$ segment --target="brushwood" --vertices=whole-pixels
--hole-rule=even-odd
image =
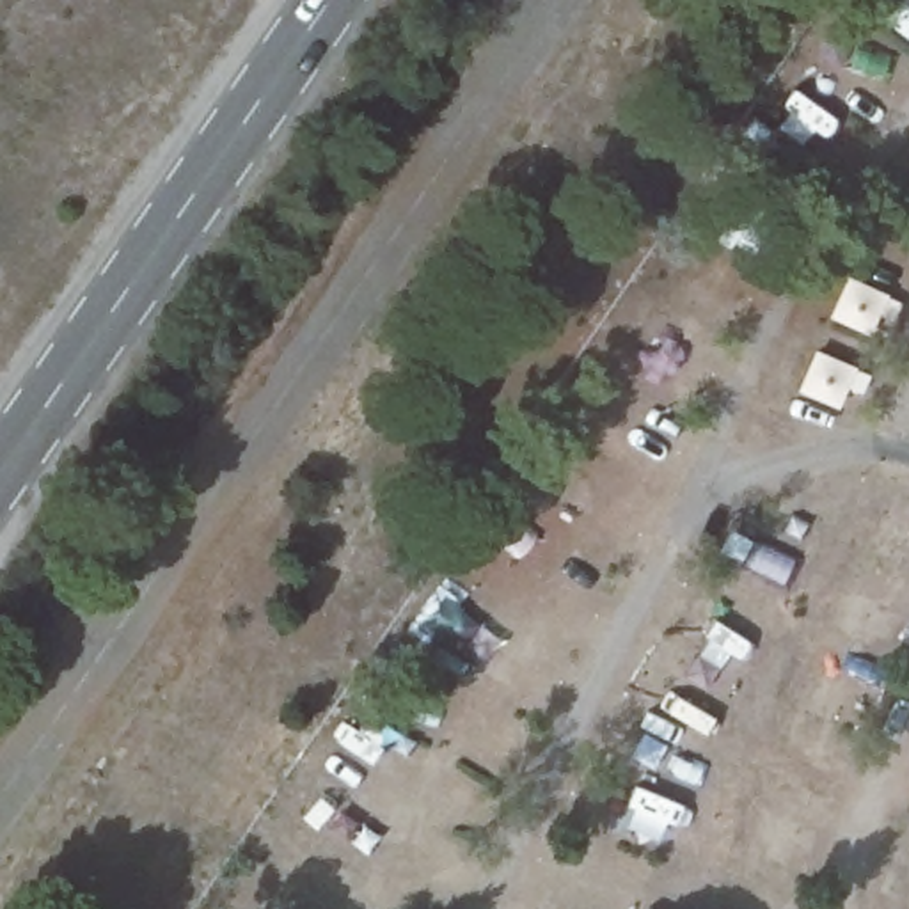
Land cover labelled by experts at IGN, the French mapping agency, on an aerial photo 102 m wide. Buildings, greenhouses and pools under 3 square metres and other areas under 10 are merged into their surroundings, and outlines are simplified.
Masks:
[[[486,795],[494,795],[504,785],[494,771],[469,756],[458,760],[458,771],[469,774]]]

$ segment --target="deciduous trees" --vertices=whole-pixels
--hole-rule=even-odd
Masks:
[[[792,25],[813,21],[817,11],[827,11],[834,18],[827,28],[827,43],[838,46],[842,57],[873,57],[884,64],[884,71],[891,71],[895,50],[888,43],[898,36],[898,7],[891,0],[643,0],[643,7],[668,32],[668,60],[657,67],[621,75],[611,128],[632,138],[639,156],[664,160],[678,170],[678,206],[671,217],[657,220],[607,170],[572,167],[561,192],[554,195],[554,217],[565,224],[575,256],[604,266],[611,259],[625,263],[639,252],[639,231],[653,227],[650,241],[657,245],[657,252],[685,249],[707,263],[717,259],[735,266],[742,281],[771,295],[831,298],[838,305],[845,281],[866,284],[870,277],[877,277],[873,263],[884,263],[888,241],[902,241],[909,249],[909,181],[884,156],[877,156],[877,149],[870,156],[817,156],[785,153],[767,138],[746,135],[749,124],[771,128],[792,117],[785,85],[771,85],[767,71],[774,71],[788,57]]]
[[[305,579],[298,557],[288,554],[284,543],[277,543],[277,586],[302,586]]]
[[[717,419],[707,412],[707,401],[692,391],[689,401],[657,401],[653,412],[682,430],[714,426]]]
[[[0,625],[0,739],[57,682],[39,671],[32,636],[25,628],[18,628],[11,618]]]
[[[334,682],[337,692],[330,703],[344,710],[348,724],[359,731],[391,728],[426,749],[430,731],[423,728],[423,717],[447,714],[451,696],[433,700],[423,689],[419,660],[426,643],[419,643],[412,632],[394,632],[355,675],[341,675]]]
[[[504,383],[511,359],[518,359],[529,348],[543,348],[572,320],[572,309],[561,298],[529,281],[529,256],[543,241],[540,220],[515,217],[515,188],[490,188],[490,181],[483,192],[472,192],[465,199],[444,241],[430,245],[415,277],[405,284],[405,291],[394,295],[387,305],[376,344],[391,352],[394,366],[391,373],[373,373],[362,383],[362,412],[373,433],[405,447],[401,465],[373,469],[376,518],[387,533],[391,554],[387,568],[405,575],[412,589],[433,593],[437,582],[455,582],[458,575],[490,565],[504,547],[518,543],[522,536],[543,536],[540,511],[557,508],[557,497],[568,486],[572,462],[593,462],[604,433],[611,426],[625,426],[628,408],[636,401],[636,380],[643,373],[639,355],[650,352],[650,344],[639,337],[639,330],[614,327],[604,348],[565,355],[554,366],[529,366],[522,401],[497,394],[497,423],[490,430],[490,440],[511,465],[508,479],[497,479],[483,469],[469,479],[455,479],[447,462],[430,458],[426,444],[458,437],[462,391],[469,383],[483,383],[494,376]]]
[[[884,696],[902,696],[909,689],[909,639],[891,653],[859,653],[859,664],[884,682]]]
[[[554,795],[550,802],[540,802],[540,792],[522,785],[504,763],[494,771],[504,785],[494,795],[497,810],[490,820],[455,824],[455,838],[469,845],[469,856],[486,849],[508,827],[529,831],[533,824],[547,820],[554,859],[579,863],[589,849],[589,834],[561,824],[561,817],[572,810],[565,799]]]
[[[472,50],[504,28],[504,18],[518,11],[518,0],[391,0],[362,25],[362,36],[348,46],[348,89],[327,96],[316,110],[298,117],[288,138],[288,160],[259,185],[263,199],[245,206],[227,224],[213,252],[192,259],[181,284],[178,295],[163,305],[156,316],[156,330],[149,337],[146,369],[128,376],[121,398],[128,405],[142,405],[149,415],[170,415],[174,408],[192,412],[195,398],[220,401],[224,408],[245,408],[270,383],[273,366],[327,295],[330,281],[348,263],[359,238],[369,231],[380,192],[408,163],[415,138],[426,128],[440,124],[440,114],[458,96],[458,75],[472,64]]]
[[[593,778],[579,795],[593,802],[611,802],[621,813],[628,813],[639,763],[600,753]]]
[[[32,881],[18,884],[14,898],[4,909],[92,909],[96,898],[89,891],[78,891],[71,881],[46,877],[39,870]]]
[[[799,877],[792,909],[849,909],[845,895],[827,888],[827,877],[813,870]]]
[[[877,408],[891,412],[891,398],[909,387],[909,312],[902,309],[895,320],[881,320],[877,330],[859,334],[852,344],[852,366],[870,376],[866,394],[877,401]]]
[[[696,550],[703,554],[707,579],[735,579],[742,565],[728,557],[728,543],[710,543],[707,533],[700,533]]]
[[[529,724],[529,742],[554,739],[554,717],[543,707],[522,707],[515,717]]]
[[[146,579],[156,568],[170,568],[185,554],[199,501],[185,476],[163,472],[153,458],[146,458],[142,447],[110,440],[99,426],[92,426],[89,444],[64,451],[57,472],[43,483],[50,540],[39,554],[43,575],[53,597],[82,621],[92,614],[117,614],[131,607],[138,600],[138,579]]]

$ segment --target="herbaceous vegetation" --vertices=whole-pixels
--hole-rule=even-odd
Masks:
[[[405,284],[415,277],[430,245],[444,241],[433,227],[408,241],[391,277],[394,295],[405,291]]]
[[[18,405],[21,380],[28,376],[28,369],[39,369],[50,359],[57,330],[85,309],[89,284],[114,266],[121,238],[149,217],[153,192],[181,170],[188,142],[213,124],[220,96],[245,78],[249,53],[256,50],[256,43],[266,43],[281,25],[277,11],[284,0],[0,0],[0,415],[7,415]]]
[[[817,11],[813,21],[792,25],[788,57],[774,71],[767,71],[771,85],[785,85],[792,117],[771,128],[749,124],[746,135],[767,138],[785,153],[817,156],[870,156],[877,149],[877,156],[884,156],[909,181],[909,0],[891,0],[898,7],[898,36],[888,43],[895,50],[891,71],[884,71],[884,64],[873,57],[842,57],[838,46],[827,43],[827,28],[834,18],[827,11]]]
[[[362,0],[359,14],[341,25],[341,32],[327,43],[327,57],[302,82],[295,107],[270,128],[263,153],[241,167],[227,202],[209,213],[209,220],[202,224],[202,238],[170,270],[170,277],[181,284],[192,259],[213,252],[227,224],[245,206],[263,199],[259,185],[288,160],[288,138],[298,117],[316,110],[327,96],[348,89],[348,46],[362,36],[362,25],[391,0]]]
[[[614,327],[639,330],[639,337],[650,344],[650,352],[639,355],[643,373],[636,380],[636,401],[628,408],[625,426],[611,426],[604,433],[593,462],[572,462],[568,486],[557,497],[557,508],[540,511],[543,536],[522,536],[518,543],[504,547],[490,565],[458,575],[455,582],[437,582],[433,593],[412,589],[405,575],[387,568],[391,554],[387,533],[376,518],[373,469],[401,465],[405,447],[373,433],[362,412],[362,383],[373,373],[391,373],[394,366],[391,352],[376,344],[387,305],[380,298],[366,312],[366,352],[341,352],[327,387],[305,401],[291,433],[277,444],[273,458],[256,469],[256,476],[245,476],[238,469],[245,440],[231,430],[224,408],[220,401],[195,398],[192,412],[174,408],[170,415],[149,415],[142,405],[128,405],[121,398],[128,376],[146,369],[149,337],[156,330],[156,316],[163,305],[153,302],[138,316],[138,337],[114,352],[114,359],[107,362],[103,387],[89,391],[78,401],[71,423],[78,433],[60,433],[53,440],[53,447],[36,465],[36,479],[14,490],[7,522],[0,526],[0,625],[11,618],[18,628],[25,628],[32,636],[39,671],[57,682],[0,739],[0,909],[4,909],[14,898],[18,884],[32,881],[39,870],[46,877],[71,881],[78,891],[89,891],[96,898],[92,909],[792,909],[799,877],[813,870],[827,877],[827,888],[845,895],[849,909],[909,909],[909,689],[902,696],[884,696],[884,682],[859,664],[859,653],[891,653],[909,639],[909,387],[891,398],[891,412],[877,408],[877,401],[866,394],[870,376],[852,366],[852,344],[859,334],[877,330],[881,320],[895,320],[902,309],[909,312],[909,249],[902,241],[888,241],[884,263],[873,263],[877,277],[870,277],[866,284],[845,281],[838,305],[831,298],[771,295],[742,281],[735,266],[717,259],[707,263],[685,249],[657,252],[657,245],[650,241],[653,227],[639,231],[639,252],[625,263],[611,259],[604,266],[575,256],[565,224],[554,217],[554,195],[561,192],[572,167],[607,170],[657,220],[671,217],[678,206],[678,170],[664,160],[639,156],[632,138],[611,128],[621,75],[657,67],[668,60],[668,32],[643,7],[643,0],[586,0],[561,32],[561,43],[554,43],[540,57],[518,96],[501,110],[497,124],[486,131],[494,146],[504,153],[490,170],[490,181],[490,188],[515,188],[515,217],[540,220],[543,241],[529,256],[529,281],[561,298],[572,309],[572,320],[543,348],[529,348],[518,359],[511,359],[504,383],[494,376],[483,383],[469,383],[462,391],[458,437],[426,444],[430,458],[447,462],[455,479],[469,479],[483,469],[497,479],[508,479],[511,465],[490,440],[490,430],[497,423],[497,394],[522,401],[529,366],[554,366],[565,355],[604,348]],[[692,391],[707,401],[707,412],[717,419],[714,426],[682,430],[653,412],[657,401],[689,401]],[[156,568],[146,579],[138,579],[138,600],[131,607],[117,614],[92,614],[82,621],[53,597],[43,575],[39,554],[50,540],[43,483],[57,472],[64,451],[89,444],[92,426],[99,426],[110,440],[142,447],[146,458],[153,458],[163,472],[185,476],[199,501],[185,554],[170,568]],[[707,579],[703,554],[696,550],[700,533],[707,533],[710,543],[728,543],[728,557],[742,565],[735,579]],[[302,586],[277,586],[277,543],[284,543],[288,554],[298,557],[305,579]],[[412,632],[419,643],[426,643],[419,660],[423,689],[433,700],[451,696],[447,714],[423,717],[423,728],[430,731],[426,749],[391,728],[359,731],[348,724],[344,710],[330,703],[337,692],[334,682],[341,675],[355,675],[394,632]],[[529,742],[529,724],[515,717],[522,707],[543,707],[554,717],[554,739]],[[628,813],[621,813],[611,802],[593,802],[579,795],[593,778],[600,753],[639,763]],[[458,760],[469,756],[494,771],[504,763],[522,785],[540,792],[540,802],[550,802],[554,795],[565,799],[572,810],[561,817],[561,824],[589,834],[589,849],[579,863],[554,859],[547,820],[533,824],[529,831],[508,827],[486,849],[469,856],[469,845],[455,838],[455,824],[490,820],[497,810],[494,795],[486,795],[469,774],[458,771]]]

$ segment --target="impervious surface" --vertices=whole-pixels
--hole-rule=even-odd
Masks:
[[[256,50],[249,53],[245,78],[220,96],[213,124],[188,142],[181,170],[153,192],[149,217],[121,238],[114,266],[89,284],[85,309],[57,330],[50,359],[39,369],[28,369],[28,376],[21,380],[18,405],[7,415],[0,415],[0,526],[7,522],[14,490],[36,479],[36,465],[53,447],[53,440],[60,433],[78,433],[71,423],[78,401],[89,391],[103,387],[107,362],[114,359],[114,352],[138,337],[138,316],[153,302],[163,305],[178,295],[181,284],[170,277],[170,270],[202,238],[202,224],[209,220],[209,213],[227,202],[241,167],[263,153],[270,128],[295,107],[302,82],[327,57],[327,43],[341,32],[341,25],[359,14],[362,0],[284,0],[277,11],[281,25],[266,43],[256,43]]]
[[[472,50],[472,64],[458,75],[458,96],[440,114],[440,124],[426,128],[415,138],[408,163],[380,192],[369,231],[359,238],[348,263],[330,281],[327,295],[273,366],[270,383],[245,408],[224,408],[231,430],[245,440],[238,469],[245,476],[256,476],[256,469],[273,458],[277,444],[291,433],[305,401],[327,387],[341,352],[366,352],[366,312],[380,298],[387,305],[394,295],[391,277],[408,241],[433,227],[444,241],[465,199],[472,192],[483,192],[490,181],[490,170],[504,153],[494,146],[486,131],[497,124],[501,110],[518,96],[540,57],[554,43],[561,43],[561,32],[586,0],[518,0],[518,11],[504,18],[504,28]]]

